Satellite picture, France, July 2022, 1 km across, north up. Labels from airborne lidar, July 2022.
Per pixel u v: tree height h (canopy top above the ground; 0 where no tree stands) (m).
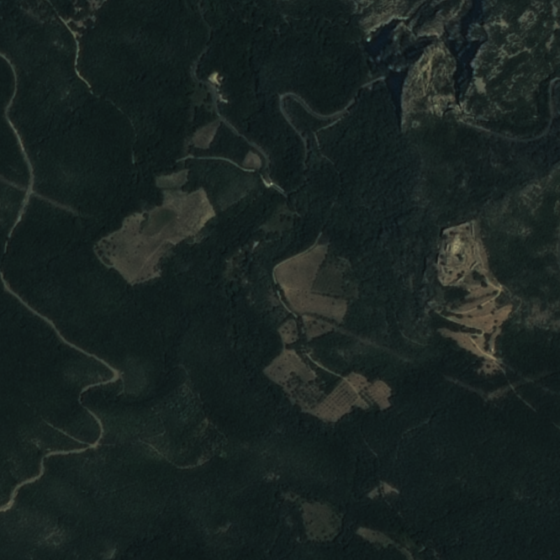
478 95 8
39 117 7
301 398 6
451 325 9
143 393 6
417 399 10
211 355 10
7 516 6
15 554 6
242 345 8
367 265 6
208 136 0
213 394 12
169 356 13
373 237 6
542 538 10
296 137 11
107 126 9
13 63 6
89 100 11
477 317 0
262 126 15
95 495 11
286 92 8
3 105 7
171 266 10
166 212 0
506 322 7
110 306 10
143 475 12
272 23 16
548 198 8
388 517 10
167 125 18
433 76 0
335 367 7
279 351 9
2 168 6
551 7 7
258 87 12
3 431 10
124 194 22
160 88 21
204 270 10
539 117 10
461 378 7
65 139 11
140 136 10
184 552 17
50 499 10
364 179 9
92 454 8
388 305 8
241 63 21
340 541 9
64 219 11
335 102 9
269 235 10
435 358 8
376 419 9
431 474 7
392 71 7
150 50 9
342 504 8
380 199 7
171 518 17
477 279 9
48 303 9
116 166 15
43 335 8
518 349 7
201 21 20
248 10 15
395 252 8
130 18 10
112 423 6
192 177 7
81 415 6
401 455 10
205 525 6
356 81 13
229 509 11
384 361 7
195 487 9
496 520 8
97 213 13
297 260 0
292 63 6
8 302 7
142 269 0
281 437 8
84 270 14
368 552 10
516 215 8
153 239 0
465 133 8
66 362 6
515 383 8
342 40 12
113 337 10
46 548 8
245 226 18
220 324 12
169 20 14
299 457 7
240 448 6
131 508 8
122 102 9
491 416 6
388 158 7
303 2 11
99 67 7
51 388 9
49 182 6
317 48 12
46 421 7
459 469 10
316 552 9
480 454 9
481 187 7
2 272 9
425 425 6
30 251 8
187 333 8
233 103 12
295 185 11
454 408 8
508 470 12
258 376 16
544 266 11
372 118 10
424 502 9
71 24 8
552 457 8
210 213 0
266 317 9
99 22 9
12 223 6
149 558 15
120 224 14
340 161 8
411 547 6
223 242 19
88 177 9
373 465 9
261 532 11
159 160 9
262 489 10
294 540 7
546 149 7
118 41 9
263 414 11
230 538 7
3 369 12
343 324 6
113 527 12
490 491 8
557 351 12
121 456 7
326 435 16
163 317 13
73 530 9
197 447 6
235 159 7
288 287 0
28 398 8
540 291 9
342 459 13
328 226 8
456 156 6
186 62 11
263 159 8
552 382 8
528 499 6
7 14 12
